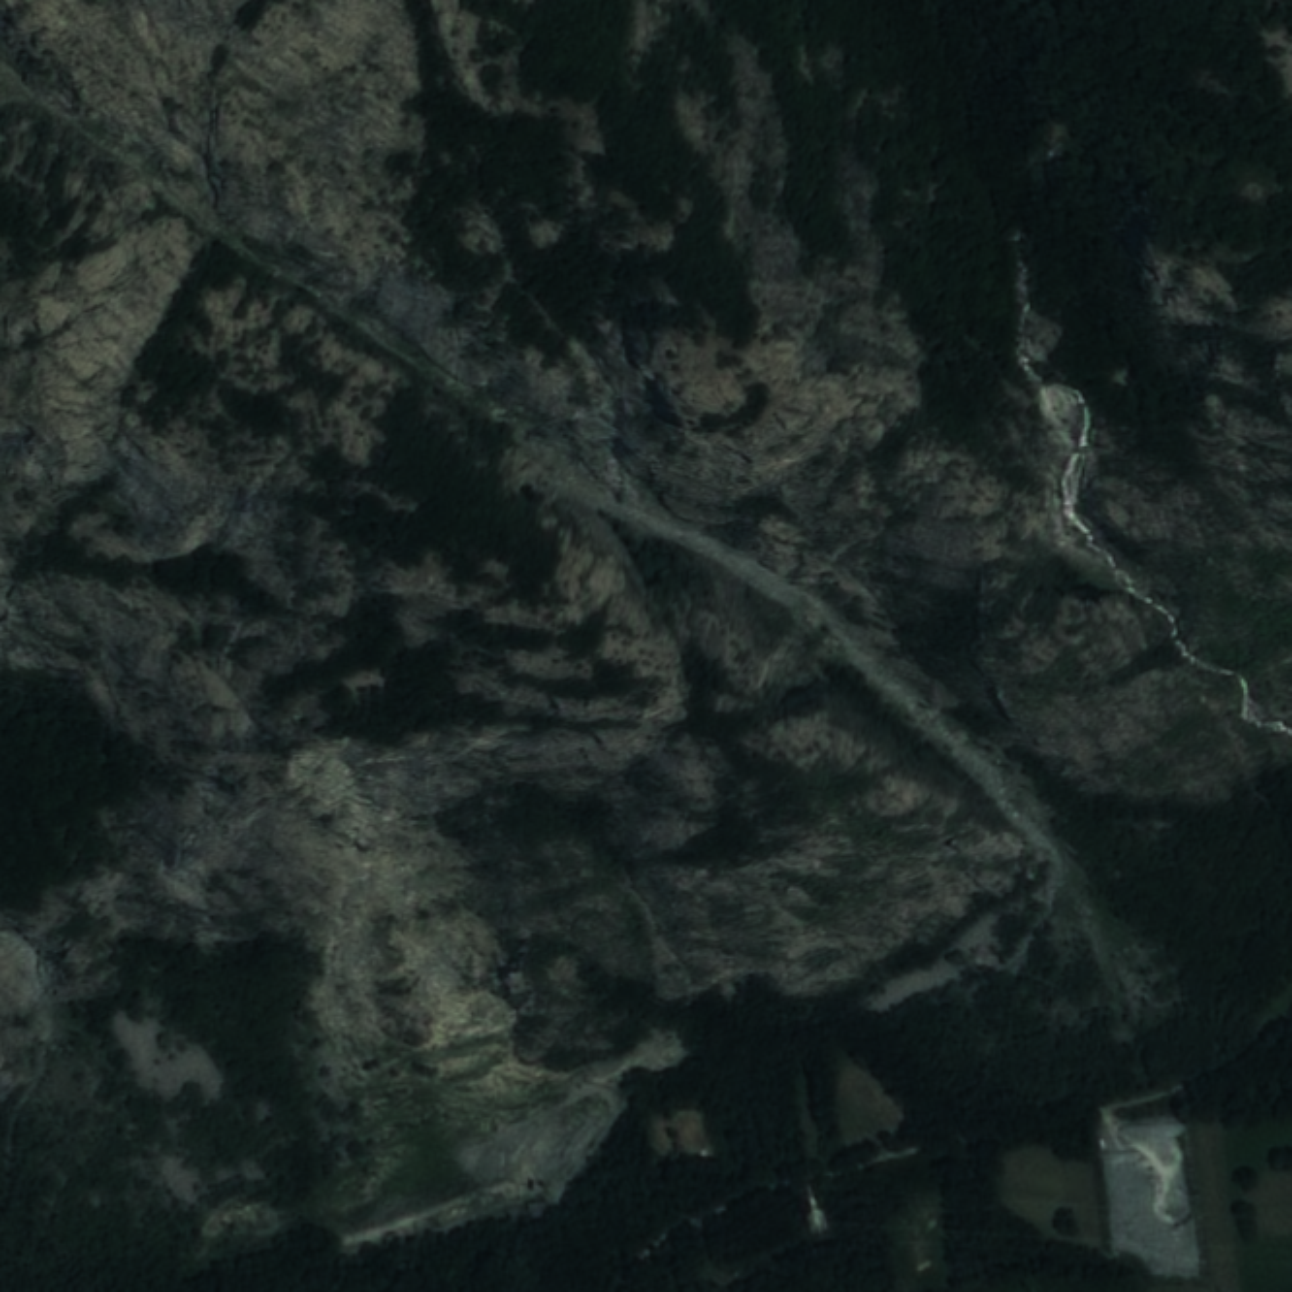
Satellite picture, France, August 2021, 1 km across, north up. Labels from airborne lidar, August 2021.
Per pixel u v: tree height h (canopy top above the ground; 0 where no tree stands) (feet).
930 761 25
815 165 71
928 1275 0
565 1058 36
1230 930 54
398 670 41
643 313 42
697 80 39
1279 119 45
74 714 67
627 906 65
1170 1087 52
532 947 28
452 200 35
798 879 32
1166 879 56
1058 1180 0
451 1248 48
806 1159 51
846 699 25
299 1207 28
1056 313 23
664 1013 61
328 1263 53
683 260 70
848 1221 60
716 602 26
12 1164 34
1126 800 37
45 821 79
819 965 30
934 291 91
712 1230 59
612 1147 59
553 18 66
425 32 45
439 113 57
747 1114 66
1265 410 29
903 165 46
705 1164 66
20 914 21
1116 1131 0
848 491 25
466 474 46
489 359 25
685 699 37
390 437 29
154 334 32
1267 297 39
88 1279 54
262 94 0
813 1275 69
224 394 32
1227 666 54
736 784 36
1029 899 19
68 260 29
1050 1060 39
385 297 0
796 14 36
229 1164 31
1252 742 40
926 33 71
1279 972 54
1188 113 48
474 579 31
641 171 71
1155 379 78
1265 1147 0
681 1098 52
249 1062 42
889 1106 0
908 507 22
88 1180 33
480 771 20
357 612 49
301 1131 32
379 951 0
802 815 44
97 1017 52
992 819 19
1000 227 44
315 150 0
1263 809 47
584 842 37
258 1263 60
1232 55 85
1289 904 48
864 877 24
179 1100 26
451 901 25
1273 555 31
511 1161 0
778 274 0
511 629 31
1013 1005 43
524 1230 56
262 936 52
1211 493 22
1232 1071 71
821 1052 71
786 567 136
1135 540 43
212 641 49
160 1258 44
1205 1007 53
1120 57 60
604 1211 70
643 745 110
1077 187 64
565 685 42
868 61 65
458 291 28
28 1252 37
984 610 23
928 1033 40
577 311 54
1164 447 48
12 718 31
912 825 22
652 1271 73
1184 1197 0
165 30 0
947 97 63
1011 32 77
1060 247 45
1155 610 33
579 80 72
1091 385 49
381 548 25
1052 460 0
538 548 27
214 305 0
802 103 73
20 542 23
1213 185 42
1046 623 29
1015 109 71
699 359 0
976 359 40
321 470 37
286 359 25
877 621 24
